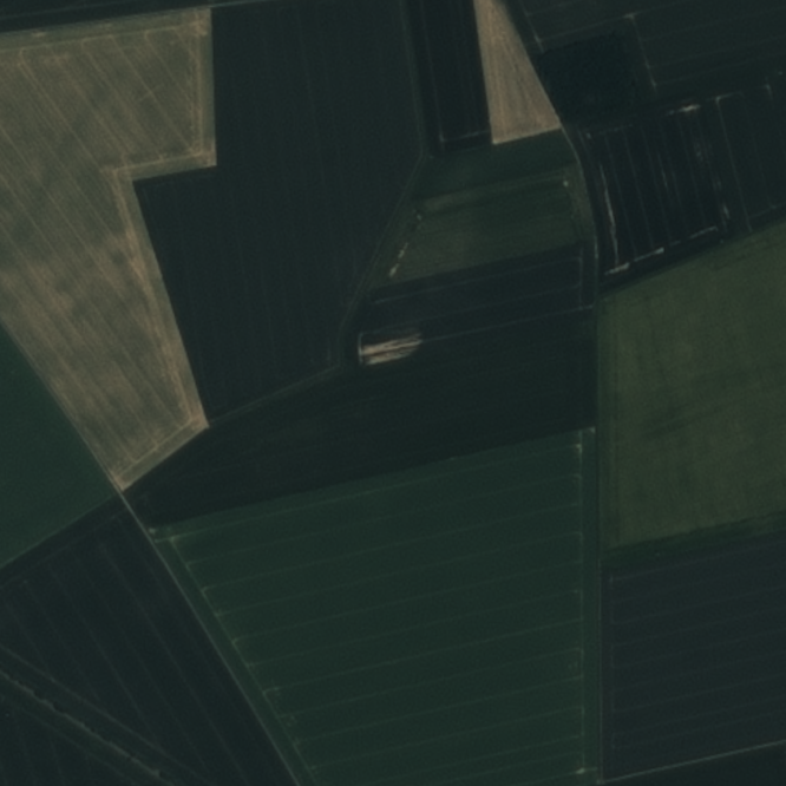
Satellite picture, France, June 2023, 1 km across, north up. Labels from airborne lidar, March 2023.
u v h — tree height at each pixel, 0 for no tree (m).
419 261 0
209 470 0
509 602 0
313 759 0
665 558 0
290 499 0
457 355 0
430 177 0
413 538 0
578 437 0
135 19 0
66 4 0
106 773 0
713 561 0
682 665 0
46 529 0
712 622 0
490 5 0
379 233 0
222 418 0
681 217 0
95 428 0
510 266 0
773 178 0
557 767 0
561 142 0
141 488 0
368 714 0
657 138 0
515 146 0
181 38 0
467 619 0
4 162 0
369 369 0
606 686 0
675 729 0
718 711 0
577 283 0
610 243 0
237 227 0
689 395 0
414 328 0
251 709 0
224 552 0
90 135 0
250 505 0
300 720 0
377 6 0
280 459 0
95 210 0
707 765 0
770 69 0
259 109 0
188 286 0
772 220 0
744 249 0
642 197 0
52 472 0
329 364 0
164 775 10
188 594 0
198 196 0
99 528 0
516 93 0
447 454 0
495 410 0
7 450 0
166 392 0
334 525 0
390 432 0
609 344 0
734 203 0
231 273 0
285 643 0
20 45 0
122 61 0
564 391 0
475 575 0
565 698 0
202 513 0
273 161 0
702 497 0
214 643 0
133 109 0
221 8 0
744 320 0
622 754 0
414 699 0
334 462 0
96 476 0
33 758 0
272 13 0
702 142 0
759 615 0
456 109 0
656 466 0
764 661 0
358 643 0
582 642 0
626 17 0
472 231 0
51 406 0
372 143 0
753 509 0
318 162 0
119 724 0
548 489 0
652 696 0
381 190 0
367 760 0
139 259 0
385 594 0
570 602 0
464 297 0
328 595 0
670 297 0
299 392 0
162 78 0
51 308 0
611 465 0
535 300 0
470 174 0
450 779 0
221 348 0
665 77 0
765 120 0
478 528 0
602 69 14
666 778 0
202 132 0
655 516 0
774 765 0
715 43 0
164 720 0
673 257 0
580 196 0
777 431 0
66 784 0
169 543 0
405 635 0
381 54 0
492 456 0
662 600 0
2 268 0
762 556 0
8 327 0
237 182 0
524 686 0
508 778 0
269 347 0
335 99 0
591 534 0
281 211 0
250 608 0
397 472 0
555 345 0
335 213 0
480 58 0
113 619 0
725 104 0
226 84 0
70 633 0
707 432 0
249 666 0
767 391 0
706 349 0
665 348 0
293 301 0
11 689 0
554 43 0
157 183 0
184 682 0
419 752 0
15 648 0
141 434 0
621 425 0
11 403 0
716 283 0
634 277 0
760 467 0
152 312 0
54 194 0
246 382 0
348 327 0
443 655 0
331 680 0
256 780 0
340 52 0
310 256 0
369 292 0
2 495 0
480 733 0
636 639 0
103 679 0
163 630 0
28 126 0
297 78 0
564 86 13
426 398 0
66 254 0
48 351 0
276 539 0
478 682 0
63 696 0
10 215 0
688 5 0
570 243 0
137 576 0
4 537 0
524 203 0
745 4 0
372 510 0
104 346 0
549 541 0
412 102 0
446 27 0
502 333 0
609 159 0
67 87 0
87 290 0
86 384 0
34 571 0
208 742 0
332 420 0
